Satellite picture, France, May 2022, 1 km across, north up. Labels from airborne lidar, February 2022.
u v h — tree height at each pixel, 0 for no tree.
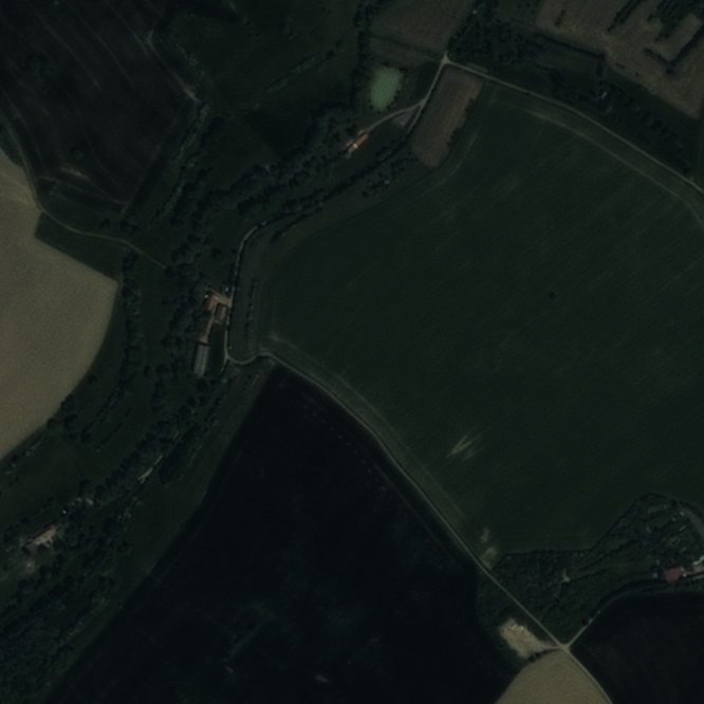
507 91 0
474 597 0
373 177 0
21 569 0
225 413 0
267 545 0
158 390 11
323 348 0
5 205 0
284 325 0
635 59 0
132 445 0
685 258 0
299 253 0
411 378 0
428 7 0
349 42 0
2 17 0
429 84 0
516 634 0
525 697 0
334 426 0
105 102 0
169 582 0
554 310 0
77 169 0
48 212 0
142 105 0
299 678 0
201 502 0
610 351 0
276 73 0
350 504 0
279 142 0
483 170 0
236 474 0
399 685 0
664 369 0
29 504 0
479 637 0
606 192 0
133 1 0
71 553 11
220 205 20
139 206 0
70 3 0
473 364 0
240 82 0
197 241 19
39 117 0
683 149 10
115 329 0
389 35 0
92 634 0
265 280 0
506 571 6
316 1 0
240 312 0
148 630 0
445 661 0
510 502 0
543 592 6
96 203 0
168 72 0
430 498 0
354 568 0
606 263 0
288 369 0
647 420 0
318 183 0
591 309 0
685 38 0
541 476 0
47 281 0
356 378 0
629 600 0
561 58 0
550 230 0
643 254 0
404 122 0
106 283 0
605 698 0
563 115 0
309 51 0
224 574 0
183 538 0
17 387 0
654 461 0
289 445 0
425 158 0
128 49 0
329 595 0
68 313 0
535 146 0
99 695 0
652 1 0
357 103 19
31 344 0
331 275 0
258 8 0
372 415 0
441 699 0
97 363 0
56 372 0
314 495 0
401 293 0
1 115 0
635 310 0
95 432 0
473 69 0
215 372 0
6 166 0
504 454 0
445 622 0
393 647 0
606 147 0
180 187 6
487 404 0
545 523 0
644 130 0
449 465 0
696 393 0
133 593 0
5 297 0
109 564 16
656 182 0
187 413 18
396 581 0
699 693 0
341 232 0
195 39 0
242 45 0
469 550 0
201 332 0
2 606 0
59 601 12
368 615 0
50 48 0
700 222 0
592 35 0
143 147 0
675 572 0
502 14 0
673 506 11
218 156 0
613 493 0
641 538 9
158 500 0
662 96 0
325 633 0
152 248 0
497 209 0
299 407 0
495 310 0
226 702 0
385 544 0
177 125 0
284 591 0
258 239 0
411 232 0
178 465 23
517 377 0
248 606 0
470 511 0
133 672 0
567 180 0
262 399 0
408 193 0
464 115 0
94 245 0
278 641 0
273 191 19
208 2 0
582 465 0
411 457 0
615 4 0
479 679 0
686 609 0
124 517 6
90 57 0
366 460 0
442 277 0
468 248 0
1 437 0
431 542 0
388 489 0
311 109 0
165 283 0
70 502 0
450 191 0
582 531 0
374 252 0
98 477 0
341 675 0
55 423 17
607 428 0
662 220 0
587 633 0
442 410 0
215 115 0
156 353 0
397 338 0
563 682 0
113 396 9
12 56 0
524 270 0
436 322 0
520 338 0
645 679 0
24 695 21
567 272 0
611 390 0
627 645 0
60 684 0
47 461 0
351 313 0
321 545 0
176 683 0
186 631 0
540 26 0
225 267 0
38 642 25
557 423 0
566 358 0
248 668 0
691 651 0
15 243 0
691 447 0
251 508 0
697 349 0
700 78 0
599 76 13
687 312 0
